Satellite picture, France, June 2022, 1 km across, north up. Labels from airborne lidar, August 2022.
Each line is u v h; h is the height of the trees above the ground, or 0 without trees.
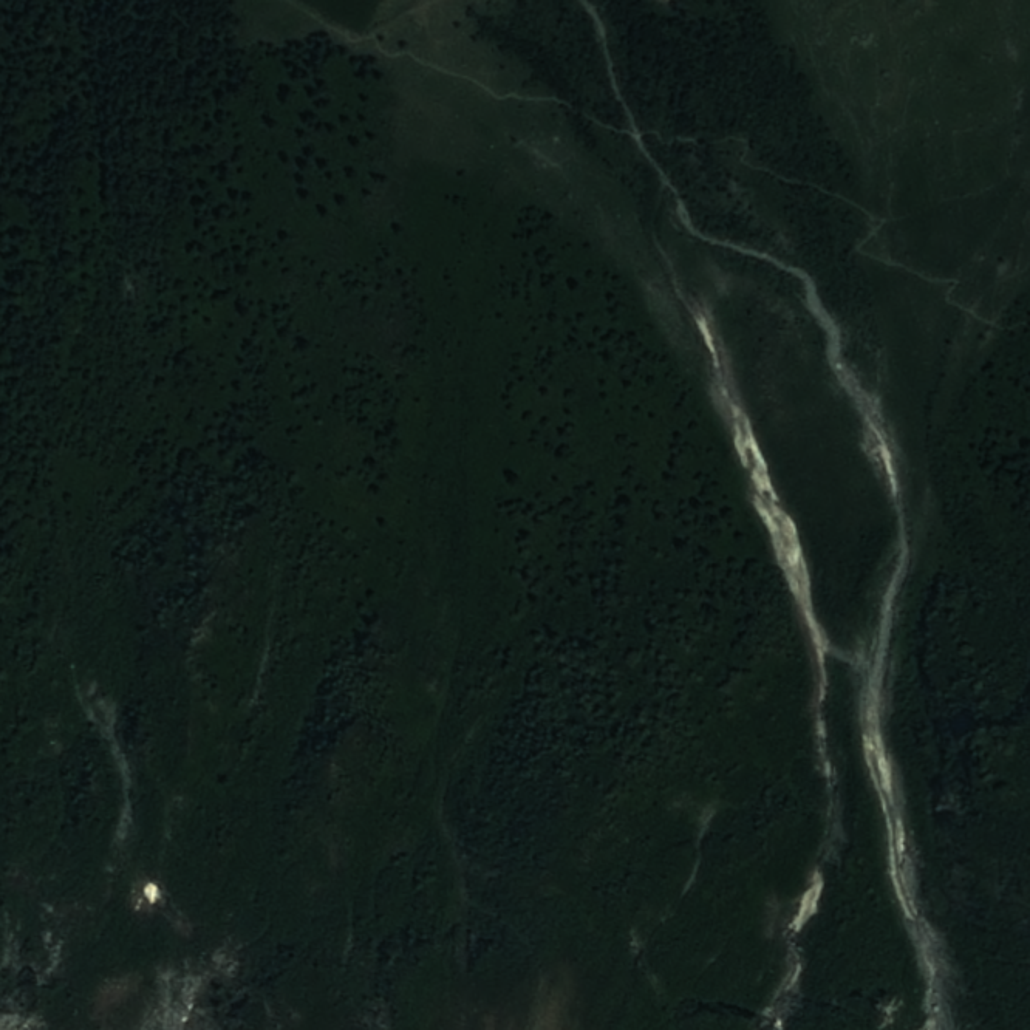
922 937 0
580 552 7
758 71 7
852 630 0
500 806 5
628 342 10
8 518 12
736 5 16
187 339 8
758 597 11
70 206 10
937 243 0
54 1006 6
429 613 0
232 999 10
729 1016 7
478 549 0
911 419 0
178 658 0
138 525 9
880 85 0
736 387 0
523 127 0
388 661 8
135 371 6
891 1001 10
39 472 9
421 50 0
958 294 0
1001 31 0
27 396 9
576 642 10
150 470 12
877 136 0
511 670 11
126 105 7
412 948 6
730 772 8
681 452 9
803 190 9
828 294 6
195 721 0
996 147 0
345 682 8
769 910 0
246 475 11
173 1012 0
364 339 0
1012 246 0
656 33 17
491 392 0
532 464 0
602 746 9
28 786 8
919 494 0
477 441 0
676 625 11
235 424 7
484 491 0
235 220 9
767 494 0
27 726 13
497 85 0
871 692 0
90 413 6
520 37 7
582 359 0
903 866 0
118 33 22
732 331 0
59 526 7
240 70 14
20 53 8
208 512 9
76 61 10
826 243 6
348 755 0
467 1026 0
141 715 9
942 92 0
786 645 9
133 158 11
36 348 11
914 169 0
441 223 0
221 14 23
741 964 9
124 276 7
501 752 9
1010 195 0
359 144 22
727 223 7
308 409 6
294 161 6
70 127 23
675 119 6
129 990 0
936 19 0
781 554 0
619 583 8
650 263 0
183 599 12
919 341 0
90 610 6
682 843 8
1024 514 8
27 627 11
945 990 0
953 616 12
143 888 0
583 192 0
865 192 0
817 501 0
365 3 0
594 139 8
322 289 8
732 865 8
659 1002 10
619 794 7
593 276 8
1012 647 6
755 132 6
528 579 18
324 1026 0
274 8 0
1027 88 0
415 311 8
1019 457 8
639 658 8
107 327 8
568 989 0
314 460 0
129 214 7
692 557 7
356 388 6
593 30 6
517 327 0
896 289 0
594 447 0
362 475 6
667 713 9
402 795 6
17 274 11
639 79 9
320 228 0
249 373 8
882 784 0
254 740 9
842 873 6
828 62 0
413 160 0
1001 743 8
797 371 0
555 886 0
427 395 0
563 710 11
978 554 7
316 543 7
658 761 9
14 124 11
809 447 0
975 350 0
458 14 0
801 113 7
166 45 22
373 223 0
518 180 0
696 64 8
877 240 0
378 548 0
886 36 0
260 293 0
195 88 19
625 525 21
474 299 0
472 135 0
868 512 0
